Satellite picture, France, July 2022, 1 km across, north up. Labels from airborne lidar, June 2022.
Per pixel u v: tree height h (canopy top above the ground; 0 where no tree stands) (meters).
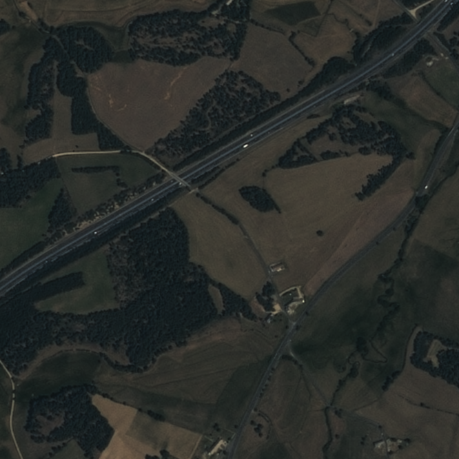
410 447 0
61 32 12
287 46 0
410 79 0
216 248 0
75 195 0
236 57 12
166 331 16
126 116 0
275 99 18
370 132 20
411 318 0
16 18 0
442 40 7
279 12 0
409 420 0
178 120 0
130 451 0
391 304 8
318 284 0
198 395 0
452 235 0
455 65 0
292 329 0
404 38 0
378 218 0
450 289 0
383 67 0
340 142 0
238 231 0
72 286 11
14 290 7
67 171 0
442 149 0
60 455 0
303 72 0
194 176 0
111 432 15
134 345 20
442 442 0
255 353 0
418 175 0
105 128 13
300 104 0
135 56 12
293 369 0
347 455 0
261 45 0
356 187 0
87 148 0
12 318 10
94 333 15
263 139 0
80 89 13
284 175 0
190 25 18
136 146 0
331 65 11
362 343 10
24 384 0
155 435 0
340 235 0
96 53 14
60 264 8
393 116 0
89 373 0
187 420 0
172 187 0
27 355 18
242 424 0
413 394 0
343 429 0
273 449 0
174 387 0
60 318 12
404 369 0
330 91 0
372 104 0
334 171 0
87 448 18
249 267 0
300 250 0
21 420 0
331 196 0
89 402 15
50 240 7
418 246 0
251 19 10
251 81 18
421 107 0
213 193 0
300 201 0
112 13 0
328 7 0
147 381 0
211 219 0
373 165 0
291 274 0
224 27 17
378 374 0
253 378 0
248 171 0
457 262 0
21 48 0
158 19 21
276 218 0
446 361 18
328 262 0
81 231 0
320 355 0
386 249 0
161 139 10
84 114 15
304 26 0
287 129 0
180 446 0
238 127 8
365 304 0
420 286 0
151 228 14
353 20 0
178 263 18
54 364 0
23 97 0
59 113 0
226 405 0
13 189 19
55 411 21
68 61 18
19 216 0
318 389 0
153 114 0
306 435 0
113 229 7
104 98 0
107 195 0
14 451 0
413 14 0
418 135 0
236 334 0
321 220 0
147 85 0
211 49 13
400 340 0
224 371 0
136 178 0
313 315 0
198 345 0
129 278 9
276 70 0
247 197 17
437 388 0
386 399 0
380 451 0
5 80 0
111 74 0
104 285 0
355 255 0
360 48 9
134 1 0
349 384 0
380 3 0
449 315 0
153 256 16
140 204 0
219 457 0
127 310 15
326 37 0
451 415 0
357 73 0
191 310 16
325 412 0
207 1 0
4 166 16
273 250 0
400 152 22
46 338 20
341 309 0
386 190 0
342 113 18
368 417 0
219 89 17
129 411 0
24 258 8
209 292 6
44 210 0
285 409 0
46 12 0
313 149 0
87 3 0
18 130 0
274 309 8
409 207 0
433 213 0
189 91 0
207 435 0
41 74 19
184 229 20
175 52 18
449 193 0
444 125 0
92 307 0
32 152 0
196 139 20
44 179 19
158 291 16
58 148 0
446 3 0
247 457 0
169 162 0
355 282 0
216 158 0
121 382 0
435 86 0
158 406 0
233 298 17
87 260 0
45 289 11
